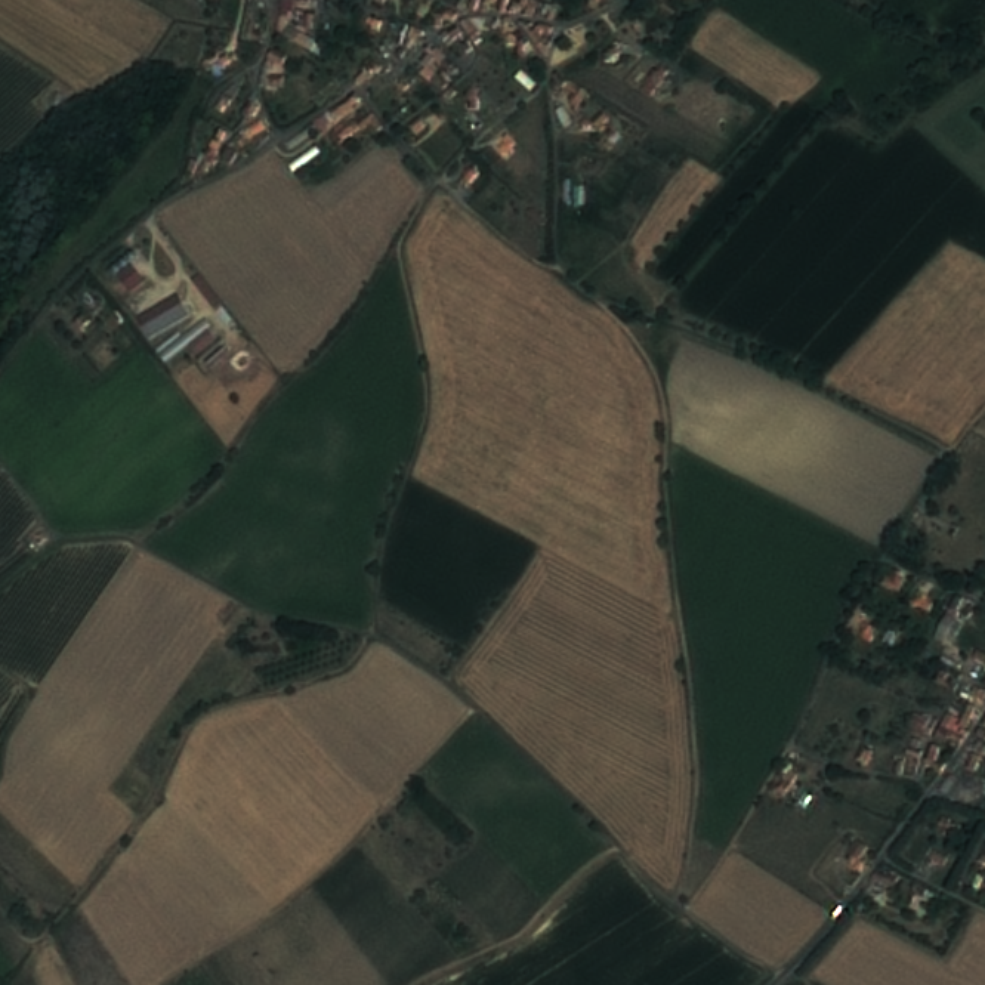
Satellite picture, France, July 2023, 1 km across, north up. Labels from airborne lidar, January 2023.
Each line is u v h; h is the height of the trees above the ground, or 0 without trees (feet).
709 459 0
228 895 0
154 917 0
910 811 17
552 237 23
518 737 0
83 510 0
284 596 0
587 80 0
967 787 0
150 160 0
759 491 0
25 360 0
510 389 0
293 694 22
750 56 0
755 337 0
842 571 0
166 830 0
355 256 0
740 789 0
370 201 0
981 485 0
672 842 0
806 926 0
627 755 0
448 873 0
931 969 0
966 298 0
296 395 0
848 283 0
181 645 0
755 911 0
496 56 0
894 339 0
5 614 0
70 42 0
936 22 0
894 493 0
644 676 0
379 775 0
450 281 0
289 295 0
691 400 0
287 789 0
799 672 0
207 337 0
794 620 0
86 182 36
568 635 0
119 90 44
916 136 0
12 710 0
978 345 0
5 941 0
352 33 31
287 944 0
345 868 0
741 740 0
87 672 0
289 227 0
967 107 0
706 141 0
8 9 0
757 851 0
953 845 51
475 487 0
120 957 0
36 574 0
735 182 0
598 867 0
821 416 0
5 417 0
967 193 0
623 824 0
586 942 0
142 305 0
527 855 0
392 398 0
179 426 0
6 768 0
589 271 0
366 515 0
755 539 0
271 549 0
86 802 0
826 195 0
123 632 0
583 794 0
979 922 0
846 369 0
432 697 0
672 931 0
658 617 0
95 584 0
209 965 0
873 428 0
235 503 0
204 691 0
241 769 0
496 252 0
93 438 0
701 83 0
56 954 0
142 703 0
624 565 0
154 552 0
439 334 0
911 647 32
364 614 0
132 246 0
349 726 0
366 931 0
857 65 0
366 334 0
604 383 0
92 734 0
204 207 0
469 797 0
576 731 0
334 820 0
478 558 0
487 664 0
